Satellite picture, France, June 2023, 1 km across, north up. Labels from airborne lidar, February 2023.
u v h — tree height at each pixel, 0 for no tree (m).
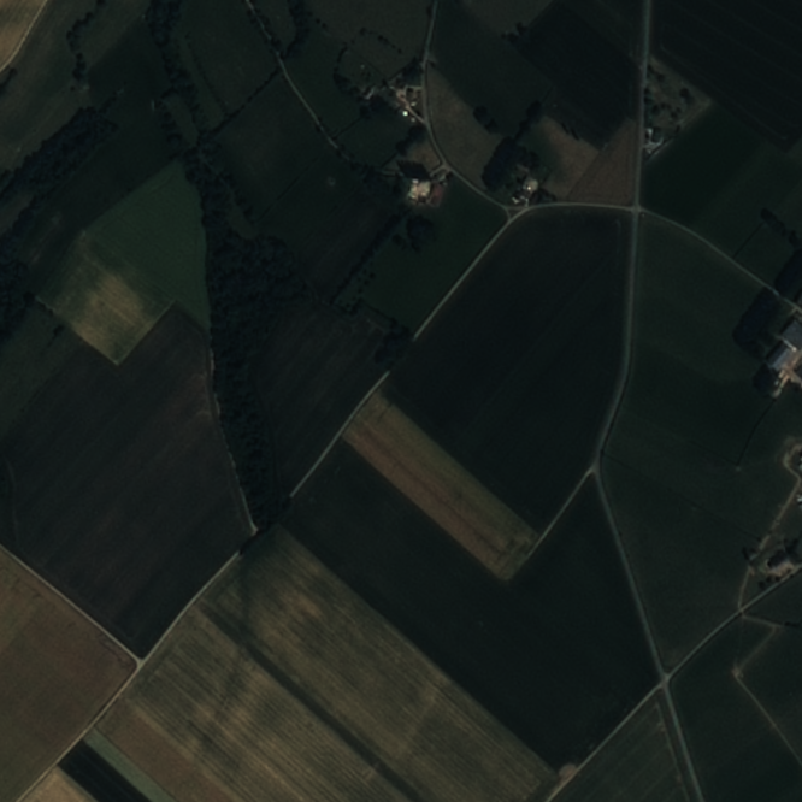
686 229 0
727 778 0
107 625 0
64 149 20
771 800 0
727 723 0
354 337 0
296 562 0
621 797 0
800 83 0
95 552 0
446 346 0
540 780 0
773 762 0
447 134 0
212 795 0
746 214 0
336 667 0
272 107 0
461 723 0
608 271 0
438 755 0
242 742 0
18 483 0
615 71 0
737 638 0
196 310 0
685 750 0
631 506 0
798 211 0
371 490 0
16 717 0
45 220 0
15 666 0
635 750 0
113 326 0
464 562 0
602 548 0
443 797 0
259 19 8
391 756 0
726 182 0
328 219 0
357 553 0
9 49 0
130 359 0
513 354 0
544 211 0
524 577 0
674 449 0
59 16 0
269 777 0
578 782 0
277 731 0
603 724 0
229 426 12
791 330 0
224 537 0
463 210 0
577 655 0
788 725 0
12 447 0
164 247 0
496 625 0
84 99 0
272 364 0
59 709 0
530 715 0
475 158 0
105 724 0
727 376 0
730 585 0
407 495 0
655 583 0
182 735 0
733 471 0
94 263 0
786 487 0
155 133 0
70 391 0
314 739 0
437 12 0
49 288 0
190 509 0
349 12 0
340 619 0
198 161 21
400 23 0
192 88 17
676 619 0
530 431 0
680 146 0
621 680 0
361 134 0
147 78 0
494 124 16
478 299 0
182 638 0
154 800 0
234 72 0
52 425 0
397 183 7
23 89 0
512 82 0
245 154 0
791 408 0
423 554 0
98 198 0
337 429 0
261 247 24
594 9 0
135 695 0
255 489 15
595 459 0
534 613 0
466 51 0
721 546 0
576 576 0
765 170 0
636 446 0
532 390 0
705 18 0
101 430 0
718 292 0
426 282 0
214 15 0
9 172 7
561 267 0
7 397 0
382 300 0
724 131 0
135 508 0
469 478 0
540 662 0
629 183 0
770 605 0
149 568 0
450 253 0
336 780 0
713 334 0
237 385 27
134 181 0
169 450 0
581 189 0
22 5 0
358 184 0
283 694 0
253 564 0
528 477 0
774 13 0
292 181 0
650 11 0
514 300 0
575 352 0
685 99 15
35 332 0
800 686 0
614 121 0
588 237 0
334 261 0
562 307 0
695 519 0
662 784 0
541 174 0
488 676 0
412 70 11
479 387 0
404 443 0
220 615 0
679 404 0
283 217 0
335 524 0
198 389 0
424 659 0
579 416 0
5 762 0
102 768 0
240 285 22
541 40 0
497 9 0
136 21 0
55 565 0
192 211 0
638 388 0
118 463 0
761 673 0
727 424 0
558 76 0
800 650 0
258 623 0
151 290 0
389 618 0
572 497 0
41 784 0
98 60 0
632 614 0
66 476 0
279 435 0
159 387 0
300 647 0
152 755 0
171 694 0
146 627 0
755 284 0
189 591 0
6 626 0
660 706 0
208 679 0
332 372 0
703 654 0
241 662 0
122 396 0
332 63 0
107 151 0
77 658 0
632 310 0
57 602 0
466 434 0
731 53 0
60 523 0
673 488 0
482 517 0
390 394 0
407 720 0
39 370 0
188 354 0
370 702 0
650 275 0
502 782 0
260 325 21
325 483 0
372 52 0
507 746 0
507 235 0
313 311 0
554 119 0
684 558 0
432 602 0
